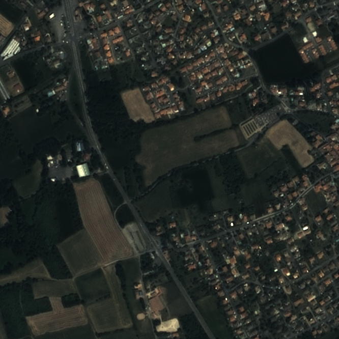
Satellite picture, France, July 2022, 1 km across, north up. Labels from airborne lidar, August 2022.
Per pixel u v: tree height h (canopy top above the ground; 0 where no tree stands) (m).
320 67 0
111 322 0
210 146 0
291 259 0
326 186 0
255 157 0
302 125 11
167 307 0
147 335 0
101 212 0
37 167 0
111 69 6
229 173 6
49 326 0
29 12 0
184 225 0
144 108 0
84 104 0
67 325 0
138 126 11
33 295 6
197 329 6
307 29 0
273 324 9
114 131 21
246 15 8
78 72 0
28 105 0
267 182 6
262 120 0
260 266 7
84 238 0
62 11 0
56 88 0
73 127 0
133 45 0
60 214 0
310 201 0
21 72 0
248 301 9
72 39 0
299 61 0
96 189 0
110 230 0
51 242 7
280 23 6
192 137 0
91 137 0
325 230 0
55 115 8
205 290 8
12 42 0
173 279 7
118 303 0
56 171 0
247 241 7
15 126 0
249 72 0
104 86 20
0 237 14
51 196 7
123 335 0
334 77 0
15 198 16
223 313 6
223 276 6
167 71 11
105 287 0
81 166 0
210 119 0
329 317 0
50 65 0
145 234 0
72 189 15
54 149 36
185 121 0
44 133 0
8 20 0
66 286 0
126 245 0
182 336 0
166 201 0
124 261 0
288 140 0
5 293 11
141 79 0
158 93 0
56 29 0
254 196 0
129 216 0
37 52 6
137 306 0
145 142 0
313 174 8
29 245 9
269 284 11
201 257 9
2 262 0
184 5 6
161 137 0
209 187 0
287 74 0
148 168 0
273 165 0
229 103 0
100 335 7
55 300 0
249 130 0
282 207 11
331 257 0
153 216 0
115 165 0
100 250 0
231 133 0
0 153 0
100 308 0
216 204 0
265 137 0
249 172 0
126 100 0
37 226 9
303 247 0
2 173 0
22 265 13
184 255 11
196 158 0
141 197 9
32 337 0
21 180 0
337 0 0
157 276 9
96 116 14
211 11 10
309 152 9
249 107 7
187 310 0
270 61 0
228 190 6
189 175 0
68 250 0
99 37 0
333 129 12
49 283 0
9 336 7
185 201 0
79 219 11
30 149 0
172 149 0
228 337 0
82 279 0
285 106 0
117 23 0
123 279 6
